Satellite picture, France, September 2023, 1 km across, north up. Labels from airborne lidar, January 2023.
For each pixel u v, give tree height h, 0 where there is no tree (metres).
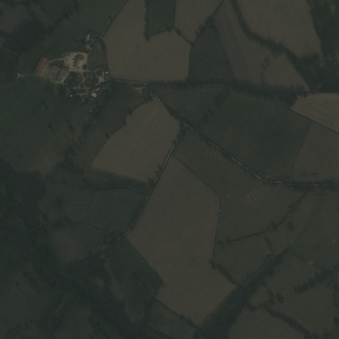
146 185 0
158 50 0
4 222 0
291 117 0
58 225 0
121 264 0
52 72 0
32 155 0
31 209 19
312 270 0
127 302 0
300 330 14
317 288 0
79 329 0
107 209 0
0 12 15
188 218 0
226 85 15
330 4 0
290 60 19
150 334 0
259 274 0
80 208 0
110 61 0
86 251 0
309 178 0
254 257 0
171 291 0
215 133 0
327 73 0
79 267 17
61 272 0
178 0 0
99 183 0
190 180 0
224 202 0
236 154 0
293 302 0
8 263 0
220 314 0
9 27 0
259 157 0
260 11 0
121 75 0
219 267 15
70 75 8
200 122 0
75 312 0
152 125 0
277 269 0
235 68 0
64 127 0
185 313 0
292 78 0
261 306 14
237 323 0
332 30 0
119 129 0
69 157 22
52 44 0
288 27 0
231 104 0
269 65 0
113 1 0
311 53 0
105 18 0
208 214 0
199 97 0
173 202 0
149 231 0
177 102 0
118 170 0
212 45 0
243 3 0
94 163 0
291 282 0
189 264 0
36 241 0
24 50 11
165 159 0
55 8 0
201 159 0
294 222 0
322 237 0
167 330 0
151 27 0
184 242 0
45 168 0
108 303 14
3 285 0
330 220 0
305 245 0
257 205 0
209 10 0
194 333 0
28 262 0
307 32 0
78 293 14
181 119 14
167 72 0
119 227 0
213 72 0
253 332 0
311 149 0
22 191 0
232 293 0
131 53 0
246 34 20
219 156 0
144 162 0
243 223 0
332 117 0
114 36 0
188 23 0
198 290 0
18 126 0
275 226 17
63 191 0
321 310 0
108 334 0
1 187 0
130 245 0
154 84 11
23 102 0
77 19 0
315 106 0
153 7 0
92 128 0
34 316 0
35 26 21
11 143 0
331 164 0
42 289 0
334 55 0
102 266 9
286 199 0
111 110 0
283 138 0
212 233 0
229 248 0
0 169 24
